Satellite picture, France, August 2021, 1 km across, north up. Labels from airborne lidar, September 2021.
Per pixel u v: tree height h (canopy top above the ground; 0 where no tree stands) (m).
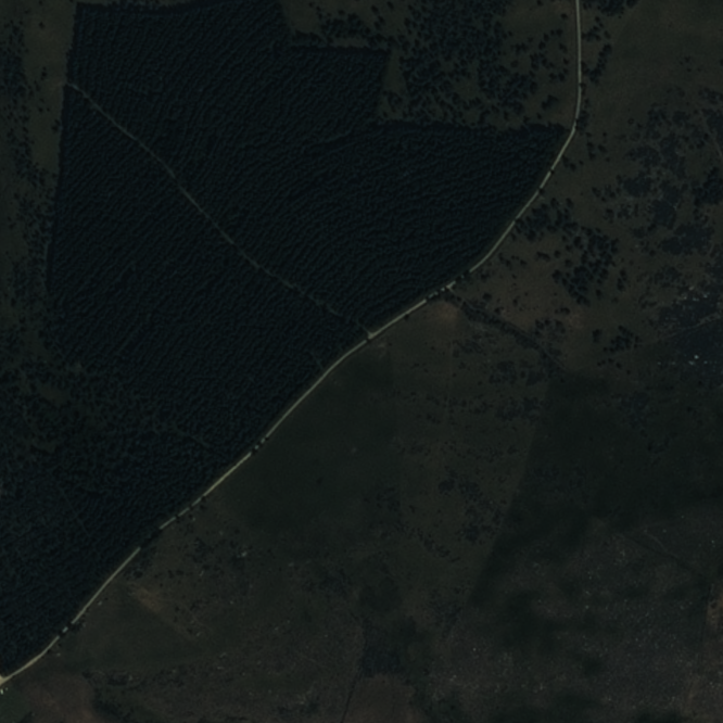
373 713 0
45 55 0
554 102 9
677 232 0
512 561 0
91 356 15
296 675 0
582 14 0
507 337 0
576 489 0
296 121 15
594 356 0
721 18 0
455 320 0
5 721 0
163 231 18
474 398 0
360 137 20
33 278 6
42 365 9
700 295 0
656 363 0
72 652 0
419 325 0
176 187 16
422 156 22
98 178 20
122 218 16
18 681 0
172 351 20
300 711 0
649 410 0
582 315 0
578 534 0
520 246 0
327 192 20
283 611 0
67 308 19
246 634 0
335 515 0
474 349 0
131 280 18
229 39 18
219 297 17
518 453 0
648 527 0
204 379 20
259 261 17
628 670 0
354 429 0
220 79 15
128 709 0
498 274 0
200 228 18
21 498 19
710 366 0
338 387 0
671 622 0
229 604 0
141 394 18
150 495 22
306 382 17
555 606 0
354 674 0
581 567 0
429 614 0
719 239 0
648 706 0
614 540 0
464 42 6
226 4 19
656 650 0
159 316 17
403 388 0
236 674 0
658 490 0
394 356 0
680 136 0
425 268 16
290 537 0
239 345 20
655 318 0
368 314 18
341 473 0
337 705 0
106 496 12
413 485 0
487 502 0
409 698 0
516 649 0
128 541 20
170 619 0
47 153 0
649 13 0
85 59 19
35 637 10
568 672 0
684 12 0
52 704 0
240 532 0
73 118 21
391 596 0
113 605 0
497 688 0
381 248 17
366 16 0
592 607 0
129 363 21
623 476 0
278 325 16
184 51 21
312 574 0
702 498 0
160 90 15
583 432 0
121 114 19
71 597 8
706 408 0
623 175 0
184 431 17
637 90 0
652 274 0
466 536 0
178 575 0
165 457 20
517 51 7
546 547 0
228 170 17
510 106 13
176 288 19
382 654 0
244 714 0
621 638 0
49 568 9
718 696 0
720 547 0
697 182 0
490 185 20
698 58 0
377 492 0
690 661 0
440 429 0
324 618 0
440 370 0
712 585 0
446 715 0
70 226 21
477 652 0
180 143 12
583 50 0
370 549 0
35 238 8
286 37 24
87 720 0
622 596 0
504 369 0
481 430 0
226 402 17
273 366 21
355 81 22
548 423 0
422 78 10
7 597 12
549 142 21
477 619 0
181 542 0
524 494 0
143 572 0
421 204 22
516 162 22
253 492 0
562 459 0
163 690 0
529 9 0
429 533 0
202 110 19
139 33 17
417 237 18
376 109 21
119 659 0
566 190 0
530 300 0
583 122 9
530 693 0
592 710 0
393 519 0
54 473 10
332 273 14
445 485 0
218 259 19
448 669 0
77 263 20
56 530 12
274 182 15
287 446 0
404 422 0
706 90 0
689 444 0
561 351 0
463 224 18
